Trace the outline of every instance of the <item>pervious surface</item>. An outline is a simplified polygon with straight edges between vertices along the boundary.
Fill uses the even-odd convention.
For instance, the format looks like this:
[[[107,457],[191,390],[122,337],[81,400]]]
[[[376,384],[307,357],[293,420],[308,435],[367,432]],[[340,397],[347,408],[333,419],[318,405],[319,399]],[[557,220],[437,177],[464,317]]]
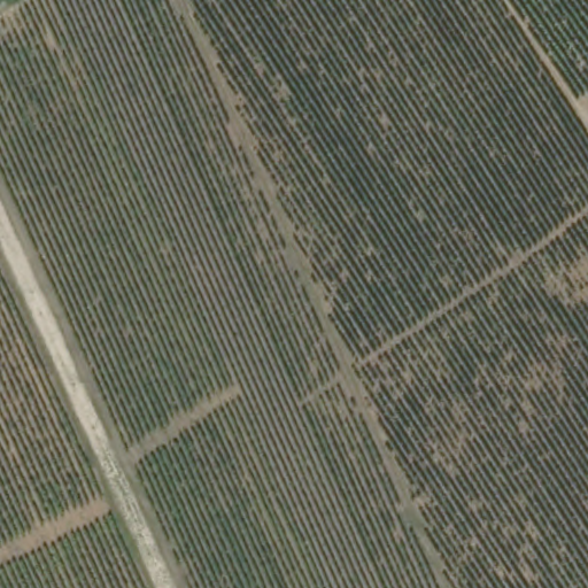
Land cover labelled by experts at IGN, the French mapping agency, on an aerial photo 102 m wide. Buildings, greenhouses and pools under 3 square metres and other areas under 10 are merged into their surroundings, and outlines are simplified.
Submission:
[[[158,556],[154,535],[138,508],[138,498],[126,475],[117,469],[115,450],[108,446],[103,425],[85,393],[85,386],[78,379],[64,338],[51,315],[51,308],[25,257],[25,250],[16,239],[9,216],[0,202],[0,248],[11,266],[16,285],[25,296],[32,319],[46,342],[46,349],[64,384],[64,390],[80,420],[80,427],[90,439],[92,452],[106,473],[119,515],[124,517],[138,544],[140,558],[152,577],[154,588],[177,588],[168,574],[165,563]]]

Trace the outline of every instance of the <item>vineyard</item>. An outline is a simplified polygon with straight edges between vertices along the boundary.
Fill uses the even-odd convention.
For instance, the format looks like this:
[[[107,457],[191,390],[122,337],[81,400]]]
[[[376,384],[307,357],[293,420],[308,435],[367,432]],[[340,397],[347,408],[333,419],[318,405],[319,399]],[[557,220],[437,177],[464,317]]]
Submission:
[[[165,563],[168,574],[177,588],[588,588],[588,0],[0,0],[0,202],[9,216],[16,239],[25,250],[25,257],[51,308],[51,315],[64,338],[78,379],[85,386],[85,393],[103,425],[108,446],[115,450],[117,469],[126,475],[138,498],[138,508],[154,535],[158,556]]]
[[[46,349],[46,342],[32,319],[25,296],[16,285],[11,266],[0,248],[0,588],[154,588],[152,577],[140,558],[138,544],[124,517],[119,515],[106,473],[92,452],[90,439],[80,427],[80,420],[64,390],[64,384]]]

